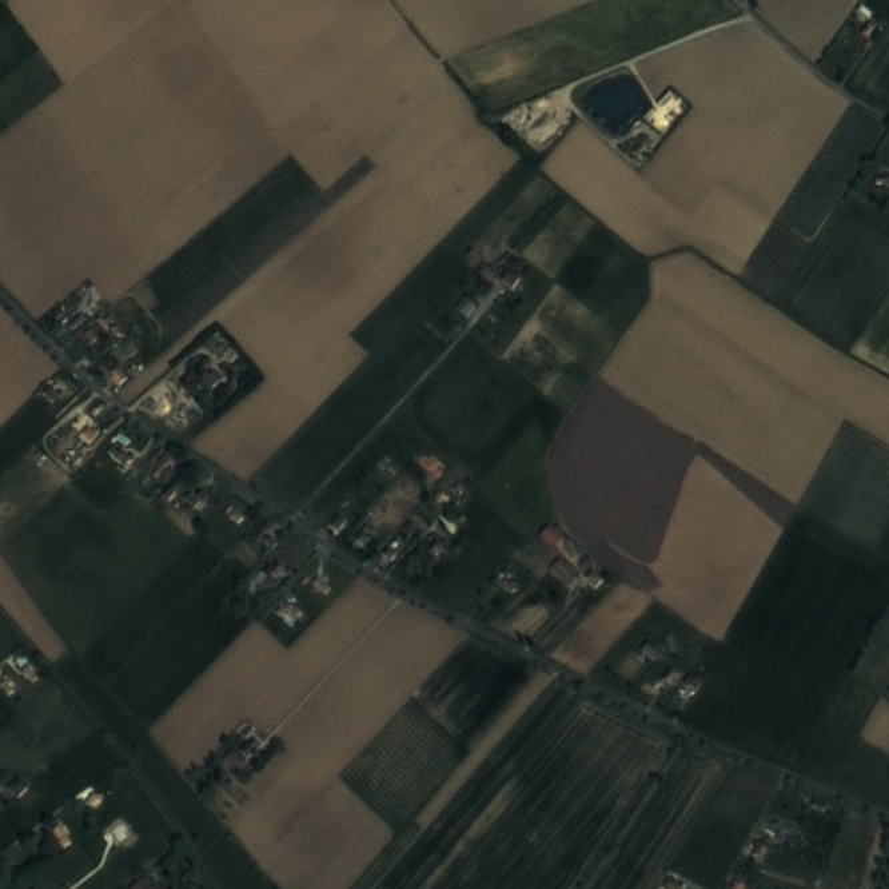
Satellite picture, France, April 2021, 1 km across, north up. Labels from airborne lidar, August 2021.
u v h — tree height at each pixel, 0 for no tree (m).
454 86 0
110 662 0
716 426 0
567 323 0
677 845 0
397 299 0
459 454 0
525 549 0
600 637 0
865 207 0
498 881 0
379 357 0
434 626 0
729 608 0
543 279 0
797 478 0
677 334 0
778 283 0
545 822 0
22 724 0
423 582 13
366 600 0
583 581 9
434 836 0
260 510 12
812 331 0
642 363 0
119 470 0
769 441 0
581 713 0
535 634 0
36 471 0
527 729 0
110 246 0
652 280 0
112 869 0
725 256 0
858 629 0
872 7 7
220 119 0
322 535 0
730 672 0
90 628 0
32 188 0
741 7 0
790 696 0
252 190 0
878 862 12
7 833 0
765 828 0
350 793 0
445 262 0
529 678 0
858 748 0
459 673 0
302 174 0
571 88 0
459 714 0
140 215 0
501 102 0
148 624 0
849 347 0
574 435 0
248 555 0
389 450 0
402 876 0
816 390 0
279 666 0
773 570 0
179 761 0
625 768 0
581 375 0
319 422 0
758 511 0
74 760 0
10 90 0
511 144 23
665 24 0
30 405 0
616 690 0
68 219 0
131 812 0
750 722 0
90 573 0
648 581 0
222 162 0
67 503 0
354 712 0
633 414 0
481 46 0
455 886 0
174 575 0
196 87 0
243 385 10
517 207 0
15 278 0
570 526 0
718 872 0
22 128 0
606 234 0
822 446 0
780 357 0
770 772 7
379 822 0
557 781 0
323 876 0
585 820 0
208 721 0
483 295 8
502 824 0
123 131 0
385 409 0
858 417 0
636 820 0
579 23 0
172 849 9
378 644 0
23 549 0
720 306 0
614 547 0
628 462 0
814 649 0
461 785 0
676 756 0
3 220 0
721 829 0
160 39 0
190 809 0
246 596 11
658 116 0
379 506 0
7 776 11
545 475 0
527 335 0
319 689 0
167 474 9
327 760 0
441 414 0
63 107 0
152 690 0
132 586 0
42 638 0
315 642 0
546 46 0
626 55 0
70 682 0
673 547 0
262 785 0
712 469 0
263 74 0
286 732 0
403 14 0
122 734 0
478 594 6
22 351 0
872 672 0
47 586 0
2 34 0
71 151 0
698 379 0
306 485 0
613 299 0
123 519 0
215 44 0
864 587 0
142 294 0
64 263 0
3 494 0
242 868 0
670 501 0
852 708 0
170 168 0
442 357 0
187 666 0
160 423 0
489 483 0
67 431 0
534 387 0
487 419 0
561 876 0
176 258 0
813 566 0
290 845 0
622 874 0
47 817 11
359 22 0
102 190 0
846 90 0
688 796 0
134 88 0
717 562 0
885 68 0
